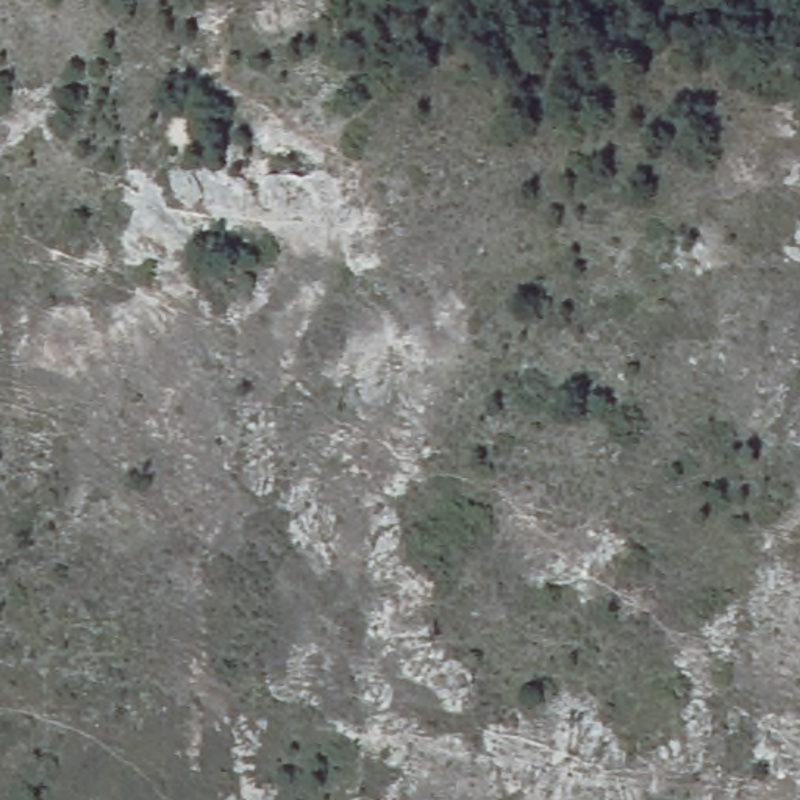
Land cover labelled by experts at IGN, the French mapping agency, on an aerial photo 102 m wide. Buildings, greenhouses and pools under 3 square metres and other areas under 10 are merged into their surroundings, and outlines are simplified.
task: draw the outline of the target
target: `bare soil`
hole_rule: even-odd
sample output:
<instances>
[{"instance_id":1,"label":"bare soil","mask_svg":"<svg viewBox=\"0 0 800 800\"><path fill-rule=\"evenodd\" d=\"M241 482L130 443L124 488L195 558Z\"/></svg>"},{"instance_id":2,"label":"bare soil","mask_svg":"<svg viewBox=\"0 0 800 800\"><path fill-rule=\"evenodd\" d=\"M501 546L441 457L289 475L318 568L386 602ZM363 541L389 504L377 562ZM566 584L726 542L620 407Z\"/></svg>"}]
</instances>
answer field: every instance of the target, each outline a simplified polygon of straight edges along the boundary
<instances>
[{"instance_id":1,"label":"bare soil","mask_svg":"<svg viewBox=\"0 0 800 800\"><path fill-rule=\"evenodd\" d=\"M519 203L503 200L497 191L488 188L416 188L409 184L409 178L400 175L375 175L378 163L388 156L381 150L363 150L356 163L344 156L344 119L325 113L325 100L331 100L334 91L344 88L350 78L334 66L322 66L316 56L297 63L291 56L291 38L322 16L325 0L0 0L0 331L16 338L13 416L44 419L41 431L47 431L50 441L63 438L63 444L69 444L75 491L69 494L72 516L59 528L63 544L72 544L78 531L97 534L100 547L109 547L113 553L131 553L144 547L147 538L169 541L169 534L197 534L197 541L216 544L225 528L244 528L244 522L253 513L281 506L291 519L291 541L309 559L309 569L316 575L325 575L328 569L344 572L347 588L334 600L338 609L356 606L369 619L359 656L350 663L350 672L356 675L363 691L363 703L378 703L378 716L369 719L369 728L363 731L338 719L334 734L322 744L291 741L291 750L272 750L272 781L266 788L256 788L250 781L253 763L247 763L247 756L259 750L259 734L250 731L247 716L238 716L231 741L241 791L228 800L800 800L800 116L794 116L791 103L756 100L753 94L731 88L728 78L719 78L709 88L716 91L716 116L722 122L719 169L691 169L675 156L663 153L659 166L653 169L659 175L653 203L663 209L659 222L681 225L684 247L675 247L675 259L663 263L663 272L672 275L672 297L659 297L659 316L638 313L625 325L625 331L634 341L634 359L625 363L625 372L650 378L650 369L663 363L663 378L672 381L675 397L709 388L719 397L716 419L734 422L741 431L741 441L734 441L731 447L750 450L750 456L763 453L769 466L778 466L778 475L791 481L797 494L791 513L781 522L769 525L763 534L763 550L756 553L756 563L763 566L756 572L756 588L747 597L728 603L725 613L719 613L700 631L669 628L663 634L666 644L678 653L675 666L691 681L691 700L684 706L688 741L669 741L650 756L638 756L634 766L628 766L613 728L606 728L597 719L600 703L594 697L578 700L572 694L559 694L556 700L547 700L544 678L531 678L519 691L522 709L547 703L538 713L538 719L525 716L516 728L488 725L481 753L469 750L459 734L431 738L413 716L416 706L434 709L438 703L447 713L463 713L463 703L475 688L472 669L450 659L444 650L434 650L431 644L422 613L431 581L419 578L416 569L409 569L400 559L400 519L394 509L406 484L422 481L419 463L431 456L431 447L425 444L425 406L431 403L431 394L450 388L450 369L456 369L456 356L469 347L469 309L459 297L463 272L516 272L528 263L541 266L550 259L550 250L516 250L513 222L522 209ZM109 94L119 97L122 119L119 172L106 172L103 166L91 166L84 156L75 156L47 122L56 106L53 91L63 88L69 59L97 59L97 47L106 31L116 31L116 47L122 59L113 69L109 88ZM225 166L219 172L188 166L184 119L172 119L163 106L153 103L153 94L166 81L169 69L197 69L203 75L213 75L216 88L234 97L234 113L244 122L250 122L256 141L253 163L238 178L228 175L234 169L234 159L241 159L244 153L238 144L228 144ZM228 231L266 228L281 244L278 256L259 272L253 297L231 303L228 313L213 313L209 300L188 281L188 272L181 266L181 250L191 241L191 234L213 228L219 219Z\"/></svg>"},{"instance_id":2,"label":"bare soil","mask_svg":"<svg viewBox=\"0 0 800 800\"><path fill-rule=\"evenodd\" d=\"M631 609L634 616L653 609L653 600L641 600L641 594L616 584L616 569L609 566L609 559L622 553L625 541L609 531L606 516L553 503L553 497L544 494L544 488L538 484L528 494L513 494L509 488L500 488L497 494L497 534L509 541L509 559L516 563L516 569L531 584L544 584L550 597L563 597L563 584L569 584L578 591L578 603L606 600L609 613L619 613L619 606Z\"/></svg>"},{"instance_id":3,"label":"bare soil","mask_svg":"<svg viewBox=\"0 0 800 800\"><path fill-rule=\"evenodd\" d=\"M516 319L538 319L544 328L572 331L575 338L588 334L584 319L575 313L572 300L550 297L538 284L522 284L513 297Z\"/></svg>"},{"instance_id":4,"label":"bare soil","mask_svg":"<svg viewBox=\"0 0 800 800\"><path fill-rule=\"evenodd\" d=\"M281 681L269 681L266 688L275 700L319 706L319 697L309 694L309 659L319 656L322 669L334 669L331 650L319 644L294 644L288 656L288 675Z\"/></svg>"}]
</instances>

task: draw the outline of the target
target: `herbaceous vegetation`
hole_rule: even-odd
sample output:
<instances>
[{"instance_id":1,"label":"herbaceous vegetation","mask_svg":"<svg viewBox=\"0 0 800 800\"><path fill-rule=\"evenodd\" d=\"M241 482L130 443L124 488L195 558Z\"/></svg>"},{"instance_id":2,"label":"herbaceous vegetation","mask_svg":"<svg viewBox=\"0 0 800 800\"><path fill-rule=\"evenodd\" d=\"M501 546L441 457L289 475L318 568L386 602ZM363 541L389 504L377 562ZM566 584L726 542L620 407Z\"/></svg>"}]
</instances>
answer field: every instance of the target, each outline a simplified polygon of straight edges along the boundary
<instances>
[{"instance_id":1,"label":"herbaceous vegetation","mask_svg":"<svg viewBox=\"0 0 800 800\"><path fill-rule=\"evenodd\" d=\"M719 397L709 388L675 397L672 381L663 378L663 363L650 369L650 378L625 372L625 363L634 359L634 341L625 331L625 325L638 313L659 316L659 297L672 297L672 275L663 272L663 263L675 259L675 247L684 247L681 225L659 222L663 209L653 203L622 206L609 213L603 225L588 225L578 216L563 219L563 225L556 225L553 216L544 219L531 209L522 209L513 222L516 250L550 250L550 259L541 266L528 263L516 272L463 272L459 297L469 309L469 347L456 356L456 369L450 369L450 388L431 394L431 403L425 406L425 444L431 447L431 456L419 463L422 481L406 484L394 509L400 519L400 559L409 569L416 569L419 578L431 581L422 613L431 644L434 650L444 650L450 659L472 669L475 688L463 703L463 713L447 713L438 703L434 709L416 706L413 716L431 738L459 734L469 750L481 753L488 725L516 728L525 716L538 719L538 713L547 703L522 709L519 691L531 678L544 678L547 700L556 700L559 694L572 694L578 700L594 697L600 703L597 719L606 728L613 728L628 766L634 766L638 756L650 756L669 741L688 741L684 706L691 700L691 681L675 666L678 653L666 644L663 634L669 628L700 631L719 613L725 613L728 603L747 597L756 588L756 572L763 566L756 563L756 553L763 550L763 534L769 525L781 522L791 513L797 494L791 481L778 475L778 466L769 466L763 453L750 456L750 450L731 447L734 441L741 441L741 431L734 422L716 419ZM572 300L575 313L584 319L588 334L575 338L572 331L544 328L538 319L516 319L513 297L522 284L538 284L550 297ZM516 563L509 559L509 541L497 534L497 494L500 488L509 488L513 494L528 494L538 484L544 488L544 494L553 497L553 503L606 516L609 531L625 541L622 553L609 559L609 566L616 569L616 584L641 594L641 600L653 600L653 609L634 616L631 609L619 606L619 613L609 613L606 600L578 603L578 591L569 584L563 584L563 597L550 597L544 584L531 584L516 569Z\"/></svg>"},{"instance_id":2,"label":"herbaceous vegetation","mask_svg":"<svg viewBox=\"0 0 800 800\"><path fill-rule=\"evenodd\" d=\"M188 281L209 300L213 313L228 313L231 303L253 297L259 272L278 256L281 244L266 228L228 231L219 219L213 228L191 234L191 241L181 250L181 266L188 272Z\"/></svg>"},{"instance_id":3,"label":"herbaceous vegetation","mask_svg":"<svg viewBox=\"0 0 800 800\"><path fill-rule=\"evenodd\" d=\"M334 734L338 719L363 731L369 728L369 719L378 716L378 703L363 703L363 691L356 675L350 672L350 663L359 656L369 619L356 606L338 609L334 600L347 588L344 572L328 569L325 575L316 575L309 569L309 559L291 541L291 519L281 506L253 513L244 522L244 528L225 528L216 544L197 541L197 534L169 534L169 541L147 538L144 547L131 553L113 553L109 547L100 547L97 534L78 531L72 544L63 544L59 528L72 516L69 494L75 491L69 444L63 444L63 438L50 441L47 431L41 431L44 419L13 416L16 338L0 331L0 800L228 800L241 791L231 741L238 716L247 716L250 731L259 734L259 750L247 756L247 763L253 763L250 781L256 788L266 788L272 781L272 750L291 750L291 741L322 744ZM275 700L266 688L269 681L281 681L288 675L288 656L294 644L319 644L331 650L334 669L322 669L319 656L309 659L309 694L319 697L319 706Z\"/></svg>"}]
</instances>

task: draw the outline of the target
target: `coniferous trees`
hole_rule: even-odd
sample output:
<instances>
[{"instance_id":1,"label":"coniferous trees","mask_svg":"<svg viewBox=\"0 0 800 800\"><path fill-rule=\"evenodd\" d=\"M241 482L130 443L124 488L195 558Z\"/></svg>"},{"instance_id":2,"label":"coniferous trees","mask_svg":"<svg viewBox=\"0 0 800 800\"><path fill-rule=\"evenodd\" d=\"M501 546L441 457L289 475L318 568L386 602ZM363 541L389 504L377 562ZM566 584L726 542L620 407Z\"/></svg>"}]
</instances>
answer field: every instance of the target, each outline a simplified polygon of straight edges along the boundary
<instances>
[{"instance_id":1,"label":"coniferous trees","mask_svg":"<svg viewBox=\"0 0 800 800\"><path fill-rule=\"evenodd\" d=\"M75 156L84 156L91 166L103 166L106 172L119 172L122 119L119 97L109 94L109 88L113 69L122 59L116 47L116 31L106 31L97 47L97 59L69 59L63 88L53 91L56 106L47 122Z\"/></svg>"},{"instance_id":2,"label":"coniferous trees","mask_svg":"<svg viewBox=\"0 0 800 800\"><path fill-rule=\"evenodd\" d=\"M356 163L363 150L381 150L388 156L378 163L375 175L400 175L409 178L409 184L416 188L488 188L497 191L503 200L519 203L522 209L531 209L544 219L553 216L556 225L563 225L563 219L578 216L588 225L603 225L609 213L622 206L653 203L659 175L653 169L659 166L663 153L675 156L691 169L719 169L722 122L716 116L716 91L709 88L719 78L728 78L731 88L753 94L756 100L791 103L794 116L800 116L800 0L325 0L322 16L291 38L291 56L297 63L316 56L322 66L334 66L350 78L344 88L334 91L331 100L325 100L325 113L344 119L344 156Z\"/></svg>"},{"instance_id":3,"label":"coniferous trees","mask_svg":"<svg viewBox=\"0 0 800 800\"><path fill-rule=\"evenodd\" d=\"M169 69L166 81L153 94L153 103L163 106L172 119L184 119L188 166L219 172L225 166L228 144L238 144L244 153L241 159L234 159L234 169L228 175L238 178L253 163L256 141L250 122L244 122L234 113L234 97L216 88L213 75L203 75L197 69Z\"/></svg>"}]
</instances>

